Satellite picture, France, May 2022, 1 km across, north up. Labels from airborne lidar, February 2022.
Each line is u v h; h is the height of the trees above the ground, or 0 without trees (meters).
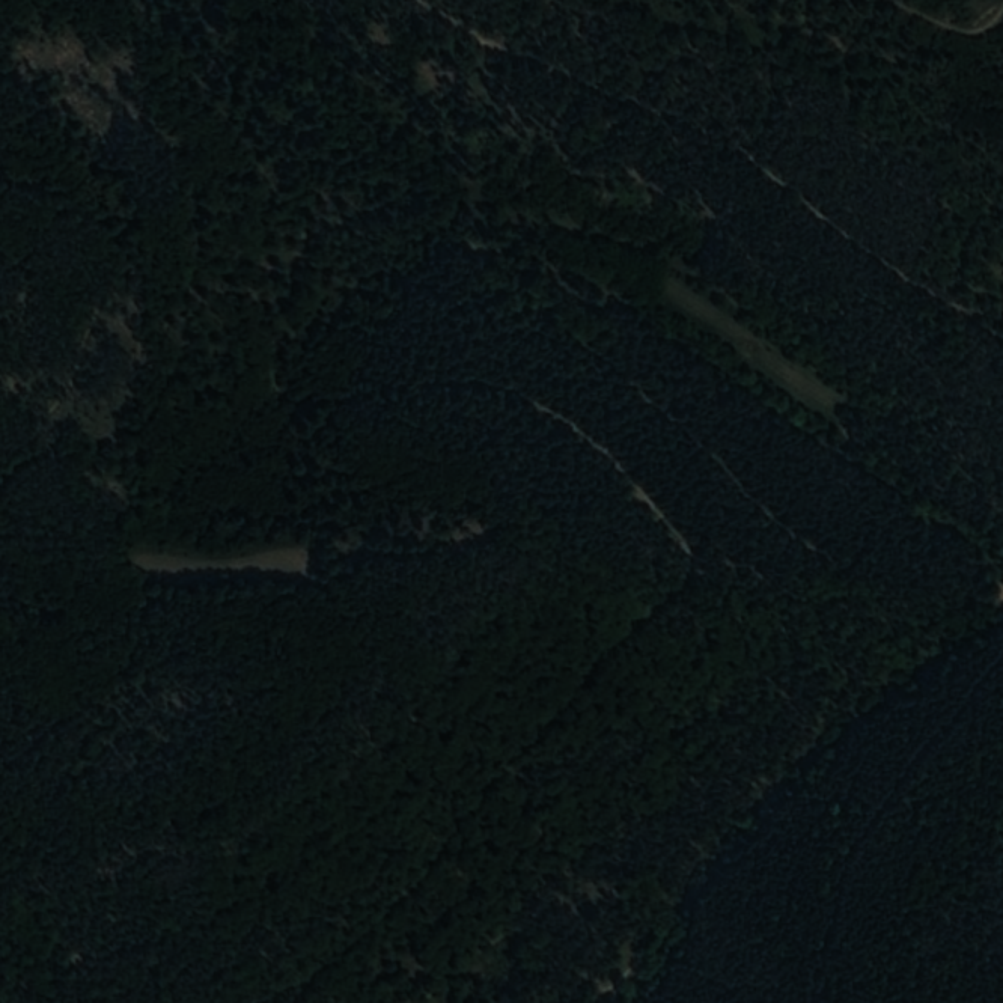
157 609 29
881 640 19
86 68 0
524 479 33
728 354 22
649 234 9
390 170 20
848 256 28
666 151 32
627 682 31
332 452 15
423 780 30
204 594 29
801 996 30
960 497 27
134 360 0
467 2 33
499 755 27
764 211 23
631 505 26
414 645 24
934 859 30
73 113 21
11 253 25
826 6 24
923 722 34
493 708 26
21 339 23
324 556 22
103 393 27
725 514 29
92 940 29
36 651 27
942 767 33
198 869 23
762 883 24
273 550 0
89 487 29
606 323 33
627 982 27
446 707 24
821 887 26
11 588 27
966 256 17
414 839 27
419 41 29
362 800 21
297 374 26
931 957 27
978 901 36
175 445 23
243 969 26
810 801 29
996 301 21
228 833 22
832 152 25
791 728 29
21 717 27
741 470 34
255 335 24
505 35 32
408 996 23
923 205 26
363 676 28
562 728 29
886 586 29
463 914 31
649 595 23
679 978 26
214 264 25
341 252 22
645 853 29
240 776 26
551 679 23
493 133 32
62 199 21
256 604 28
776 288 34
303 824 24
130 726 13
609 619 20
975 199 26
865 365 33
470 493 22
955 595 22
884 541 34
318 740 25
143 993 28
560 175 14
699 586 22
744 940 30
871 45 20
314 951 26
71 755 24
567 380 33
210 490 18
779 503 31
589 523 31
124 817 30
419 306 34
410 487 17
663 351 37
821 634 33
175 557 0
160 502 25
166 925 28
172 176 29
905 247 25
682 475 33
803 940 30
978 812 29
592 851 28
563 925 37
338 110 21
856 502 33
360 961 26
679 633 27
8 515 27
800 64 20
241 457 15
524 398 22
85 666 27
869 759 31
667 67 28
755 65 30
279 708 26
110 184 9
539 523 21
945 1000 28
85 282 26
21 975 28
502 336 37
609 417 33
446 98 12
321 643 27
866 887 30
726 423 28
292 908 29
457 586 24
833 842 30
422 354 27
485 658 23
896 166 25
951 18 0
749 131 32
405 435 30
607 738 31
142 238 20
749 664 30
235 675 25
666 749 25
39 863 31
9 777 28
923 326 32
